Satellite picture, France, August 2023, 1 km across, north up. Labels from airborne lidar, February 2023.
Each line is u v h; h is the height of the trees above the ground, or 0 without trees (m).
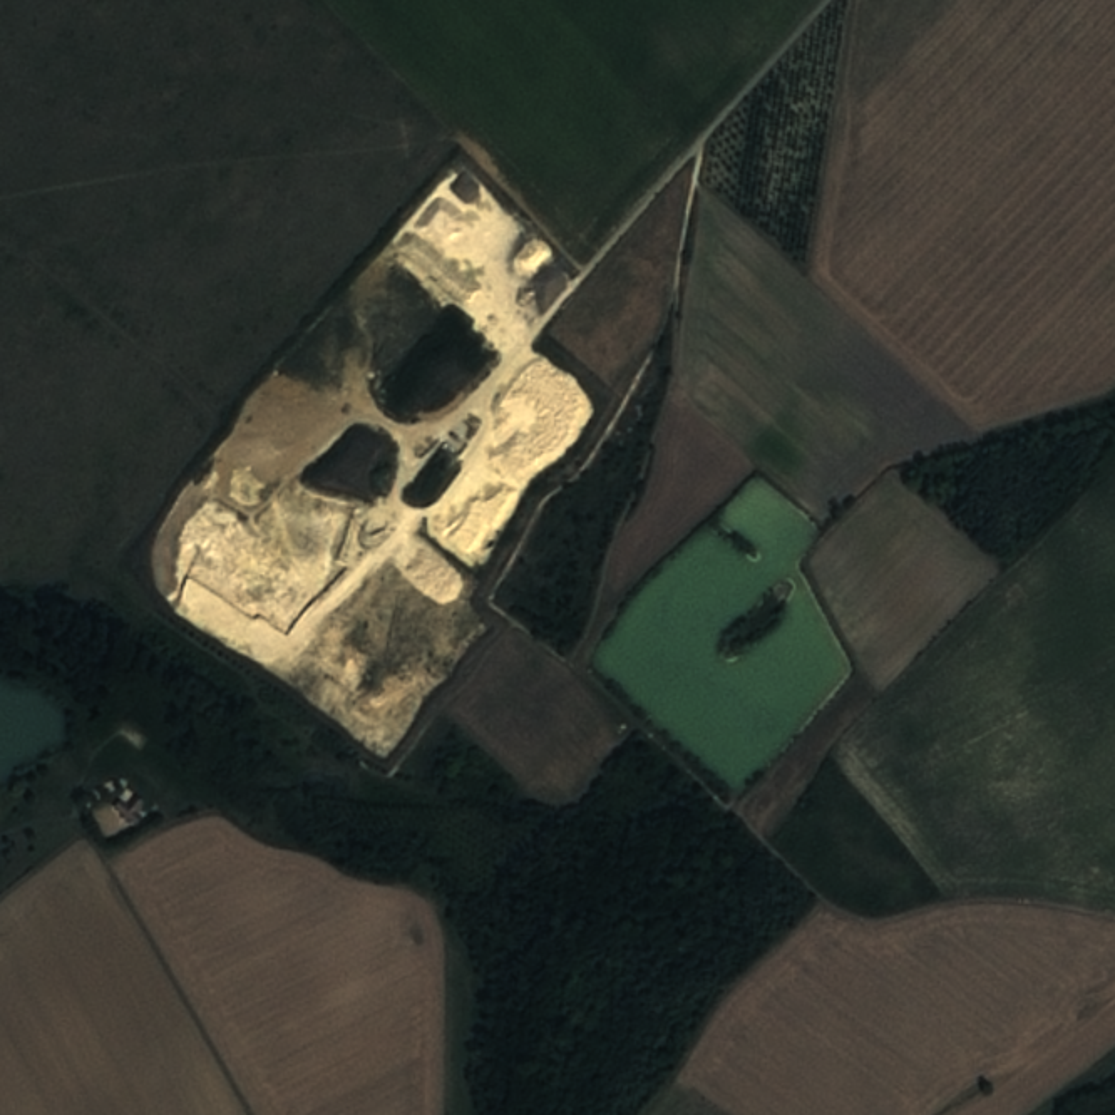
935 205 0
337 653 0
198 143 0
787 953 0
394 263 0
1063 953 0
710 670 0
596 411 0
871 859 0
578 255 0
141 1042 0
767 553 0
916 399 0
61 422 0
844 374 0
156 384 0
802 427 0
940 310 0
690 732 0
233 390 0
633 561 0
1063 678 0
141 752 0
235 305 0
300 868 0
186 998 0
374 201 0
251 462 0
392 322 0
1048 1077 0
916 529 0
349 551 0
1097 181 0
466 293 0
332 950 0
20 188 0
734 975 9
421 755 0
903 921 0
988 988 0
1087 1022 0
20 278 0
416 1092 0
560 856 13
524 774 0
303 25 0
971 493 15
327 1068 0
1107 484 0
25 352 0
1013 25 0
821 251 0
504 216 0
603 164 0
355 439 0
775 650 0
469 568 0
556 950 18
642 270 0
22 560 0
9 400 0
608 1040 12
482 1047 15
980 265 0
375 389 0
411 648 0
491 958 10
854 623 0
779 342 0
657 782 13
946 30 0
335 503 0
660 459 0
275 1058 0
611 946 19
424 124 0
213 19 0
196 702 25
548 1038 16
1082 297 0
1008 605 0
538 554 0
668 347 9
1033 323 0
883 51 0
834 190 0
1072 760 0
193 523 0
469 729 0
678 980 11
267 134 0
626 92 0
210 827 0
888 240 0
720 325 0
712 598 0
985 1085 16
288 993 0
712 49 0
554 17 0
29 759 0
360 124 0
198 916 0
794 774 0
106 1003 0
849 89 0
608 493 0
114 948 0
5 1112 0
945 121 0
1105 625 0
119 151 0
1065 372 0
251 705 10
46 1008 0
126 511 0
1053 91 0
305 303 0
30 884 0
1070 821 0
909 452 0
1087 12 0
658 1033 10
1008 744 0
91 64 0
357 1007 0
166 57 0
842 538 0
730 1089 0
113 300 0
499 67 0
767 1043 0
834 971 0
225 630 0
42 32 0
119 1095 0
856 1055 0
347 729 0
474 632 0
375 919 0
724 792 10
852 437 0
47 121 0
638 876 15
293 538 0
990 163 0
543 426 0
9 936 0
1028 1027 0
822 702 0
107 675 33
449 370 0
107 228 0
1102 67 0
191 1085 0
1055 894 0
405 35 0
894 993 0
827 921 0
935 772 0
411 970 0
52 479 0
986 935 0
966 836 0
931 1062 0
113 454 0
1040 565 0
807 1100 0
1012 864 0
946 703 0
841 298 0
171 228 0
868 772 0
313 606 0
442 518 0
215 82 0
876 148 0
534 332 0
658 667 0
